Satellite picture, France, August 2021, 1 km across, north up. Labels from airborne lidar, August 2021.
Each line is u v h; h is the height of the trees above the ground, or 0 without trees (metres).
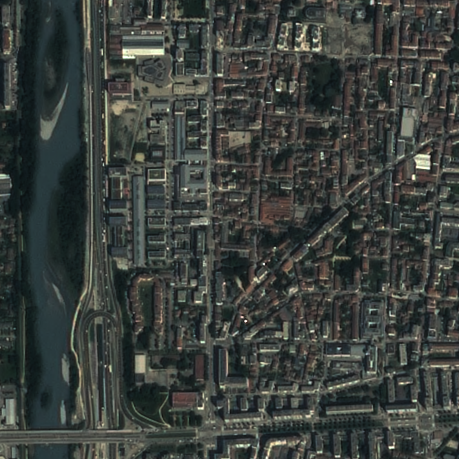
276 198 0
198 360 0
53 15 0
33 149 14
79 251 8
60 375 0
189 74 0
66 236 10
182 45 0
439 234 0
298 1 20
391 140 0
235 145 0
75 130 0
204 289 0
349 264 20
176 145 0
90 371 0
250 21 12
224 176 8
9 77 0
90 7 0
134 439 0
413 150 0
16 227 9
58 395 0
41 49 0
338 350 0
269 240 10
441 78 0
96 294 0
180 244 0
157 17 7
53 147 0
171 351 12
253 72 0
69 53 0
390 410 0
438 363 0
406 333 0
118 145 0
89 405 0
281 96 9
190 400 0
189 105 0
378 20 0
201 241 0
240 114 0
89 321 0
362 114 0
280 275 8
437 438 0
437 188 0
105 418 0
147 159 6
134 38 0
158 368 6
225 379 0
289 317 0
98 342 0
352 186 0
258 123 0
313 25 0
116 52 0
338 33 0
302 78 0
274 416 0
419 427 0
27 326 10
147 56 0
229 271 18
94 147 0
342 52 0
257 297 0
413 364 13
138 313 0
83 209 11
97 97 0
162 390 11
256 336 7
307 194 0
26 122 17
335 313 0
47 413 0
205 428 0
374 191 0
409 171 0
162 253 0
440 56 0
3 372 0
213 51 0
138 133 0
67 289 0
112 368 0
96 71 0
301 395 0
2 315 6
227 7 8
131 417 0
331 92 22
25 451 0
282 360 8
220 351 0
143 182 0
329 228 0
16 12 7
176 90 0
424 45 0
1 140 0
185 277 0
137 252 0
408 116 0
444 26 11
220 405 0
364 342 0
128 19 0
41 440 0
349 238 13
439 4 0
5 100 0
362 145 0
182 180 0
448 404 0
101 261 0
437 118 0
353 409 0
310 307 8
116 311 0
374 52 0
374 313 8
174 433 0
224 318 0
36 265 0
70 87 0
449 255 0
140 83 0
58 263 0
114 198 0
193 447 10
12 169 12
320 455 0
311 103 8
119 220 0
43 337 0
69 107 0
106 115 0
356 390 12
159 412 0
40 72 0
